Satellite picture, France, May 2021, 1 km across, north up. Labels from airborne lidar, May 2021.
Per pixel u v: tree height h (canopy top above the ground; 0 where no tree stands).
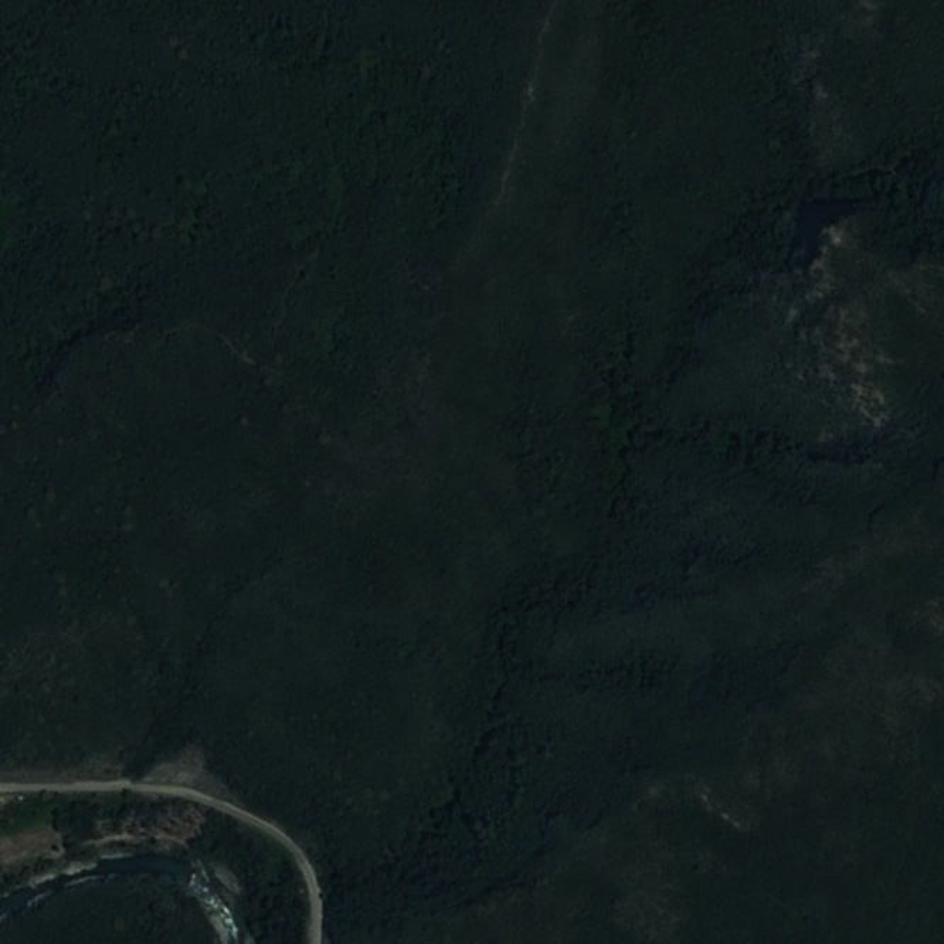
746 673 7
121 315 11
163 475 7
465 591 7
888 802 6
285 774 9
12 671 11
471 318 8
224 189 6
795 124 15
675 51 5
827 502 7
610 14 9
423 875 10
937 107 15
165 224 6
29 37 15
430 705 8
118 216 8
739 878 6
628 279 9
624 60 6
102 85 7
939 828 6
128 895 7
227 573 10
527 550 7
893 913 9
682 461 6
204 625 9
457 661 7
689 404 7
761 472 10
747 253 15
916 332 6
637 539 7
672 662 6
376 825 9
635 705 6
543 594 14
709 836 6
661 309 6
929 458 6
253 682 7
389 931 11
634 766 7
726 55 7
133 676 13
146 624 14
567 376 7
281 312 6
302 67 13
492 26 7
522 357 12
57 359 15
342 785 8
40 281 9
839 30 6
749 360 6
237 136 6
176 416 6
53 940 6
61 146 11
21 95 10
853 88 6
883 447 7
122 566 9
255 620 6
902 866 6
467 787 22
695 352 11
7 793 0
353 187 8
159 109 8
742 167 8
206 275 5
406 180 7
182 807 15
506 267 6
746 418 9
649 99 7
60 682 8
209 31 10
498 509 8
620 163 9
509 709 10
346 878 24
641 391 13
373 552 11
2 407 5
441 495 7
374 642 8
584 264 7
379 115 7
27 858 0
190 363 6
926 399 7
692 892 6
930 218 7
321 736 11
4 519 6
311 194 6
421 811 12
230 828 11
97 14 8
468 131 7
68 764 7
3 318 7
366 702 9
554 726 10
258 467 7
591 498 22
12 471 6
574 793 9
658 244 8
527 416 11
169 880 14
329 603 7
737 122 7
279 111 7
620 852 6
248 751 9
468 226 7
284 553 6
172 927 13
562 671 10
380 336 7
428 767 9
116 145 9
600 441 12
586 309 8
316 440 6
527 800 12
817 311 9
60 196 7
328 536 7
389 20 7
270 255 12
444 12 7
